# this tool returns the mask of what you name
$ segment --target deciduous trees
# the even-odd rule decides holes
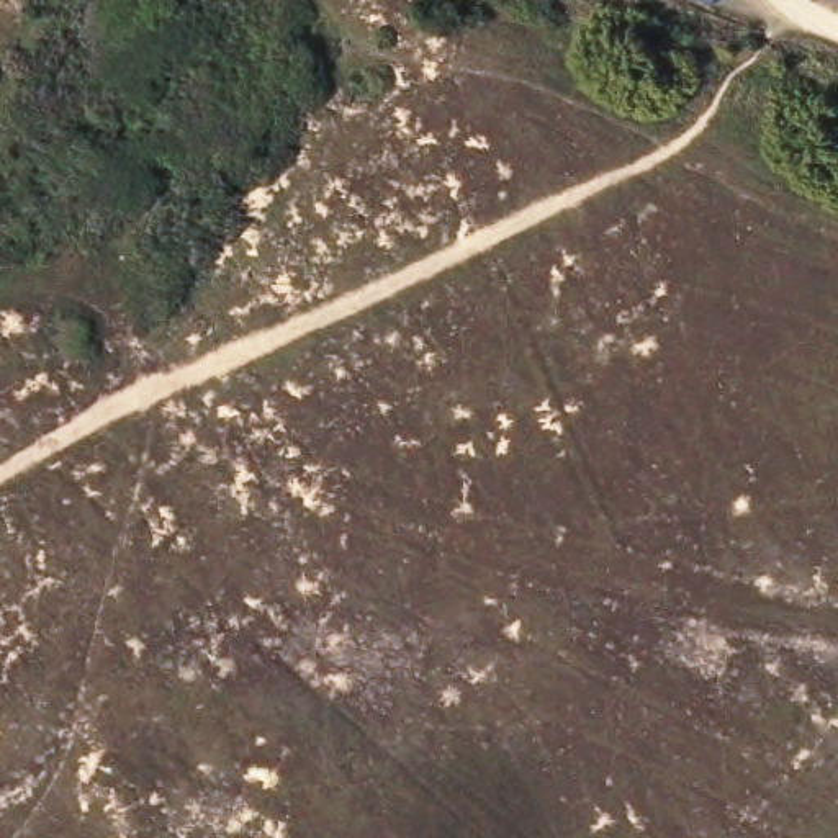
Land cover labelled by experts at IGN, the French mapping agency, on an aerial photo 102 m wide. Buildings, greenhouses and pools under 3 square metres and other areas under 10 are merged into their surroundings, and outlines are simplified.
[[[658,0],[678,13],[710,23],[710,52],[723,49],[737,36],[746,36],[756,16],[730,10],[727,0]]]

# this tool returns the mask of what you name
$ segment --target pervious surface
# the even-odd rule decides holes
[[[151,543],[157,547],[173,527],[173,511],[154,501],[141,484],[131,484],[128,507],[144,514],[151,527]]]
[[[29,599],[39,599],[46,589],[52,589],[56,579],[49,576],[49,566],[36,566],[36,583],[16,596],[16,602],[7,602],[0,609],[0,658],[7,665],[16,665],[20,655],[33,651],[36,635],[26,622],[26,606]]]
[[[98,730],[88,717],[75,717],[69,727],[59,727],[59,740],[69,750],[75,740],[85,740],[92,753],[79,763],[75,799],[88,795],[88,805],[105,802],[105,812],[111,818],[111,838],[128,838],[131,822],[124,802],[115,789],[98,786],[95,779],[95,773],[111,773],[111,766],[101,759],[105,753]]]
[[[318,488],[288,481],[288,491],[318,517],[327,517],[334,511],[331,501],[318,498]]]
[[[291,632],[291,638],[265,638],[262,645],[275,648],[275,655],[285,665],[298,668],[311,687],[347,691],[350,684],[370,674],[422,678],[426,642],[419,642],[419,632],[412,632],[409,625],[396,635],[347,635],[347,629],[331,629],[331,615],[321,615],[318,622],[288,622],[278,612],[278,606],[246,596],[249,609],[268,615],[275,629]]]
[[[809,583],[773,579],[773,589],[766,592],[802,606],[838,609],[838,579],[825,583],[822,573],[815,573]]]
[[[167,373],[141,376],[128,390],[101,396],[95,406],[88,406],[56,432],[46,432],[29,448],[0,462],[0,475],[16,478],[26,468],[39,465],[46,455],[62,452],[65,445],[98,432],[101,426],[121,416],[154,406],[160,396],[196,386],[213,376],[229,376],[229,370],[255,357],[265,357],[340,318],[350,318],[383,298],[393,298],[396,291],[426,282],[570,206],[579,206],[583,200],[615,183],[648,173],[674,154],[681,154],[687,144],[694,144],[710,124],[723,108],[733,82],[740,82],[743,72],[756,65],[753,52],[740,52],[737,65],[723,72],[701,115],[678,137],[661,144],[632,164],[602,170],[570,190],[543,196],[491,226],[481,226],[478,232],[458,229],[458,239],[452,246],[399,272],[390,272],[357,291],[347,291],[344,298],[318,311],[229,340],[203,360],[173,367]]]
[[[730,645],[720,635],[720,629],[707,619],[684,619],[684,629],[678,632],[678,665],[694,668],[704,678],[723,674]]]
[[[779,648],[812,651],[815,661],[838,661],[838,645],[815,635],[750,632],[750,642],[759,645],[763,661],[779,661]]]
[[[730,10],[756,16],[763,20],[766,36],[779,39],[789,29],[805,29],[838,43],[838,0],[727,0]]]
[[[196,828],[242,831],[246,822],[252,822],[255,809],[249,809],[242,799],[232,799],[226,792],[203,792],[196,802],[187,805],[187,818],[173,831],[177,838],[187,838]]]
[[[275,406],[272,406],[272,403],[262,403],[262,412],[265,412],[265,419],[272,419],[272,422],[268,422],[268,429],[252,429],[252,439],[255,439],[255,442],[268,442],[272,435],[285,432],[285,416],[282,416],[282,412],[275,412]]]
[[[249,514],[252,471],[246,468],[246,462],[239,462],[232,468],[232,498],[242,514]]]

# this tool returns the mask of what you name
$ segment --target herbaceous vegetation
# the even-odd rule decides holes
[[[29,448],[46,432],[56,432],[88,406],[95,406],[101,396],[128,390],[141,376],[167,373],[173,367],[203,360],[229,340],[318,311],[344,298],[347,291],[357,291],[390,272],[399,272],[452,246],[458,239],[458,229],[478,232],[481,226],[491,226],[543,196],[570,190],[602,170],[632,164],[661,144],[648,134],[645,124],[606,115],[573,85],[566,72],[570,23],[556,29],[547,23],[547,16],[530,16],[524,3],[514,3],[488,23],[475,23],[442,39],[429,36],[419,26],[419,20],[412,20],[416,0],[318,0],[324,16],[324,36],[337,49],[337,92],[327,105],[318,108],[314,118],[308,118],[295,164],[288,164],[272,183],[255,187],[246,196],[246,232],[219,249],[213,272],[200,275],[193,301],[183,308],[183,314],[167,327],[147,331],[144,337],[105,337],[101,360],[88,360],[82,354],[85,327],[79,321],[62,318],[56,324],[56,347],[33,350],[29,334],[39,331],[39,318],[20,318],[13,311],[0,318],[0,462]]]
[[[285,432],[272,435],[268,442],[255,442],[255,439],[252,439],[252,429],[268,429],[268,422],[272,422],[272,419],[265,419],[265,412],[262,412],[262,403],[272,403],[272,406],[275,406],[275,412],[282,412],[282,416],[285,416]],[[239,462],[246,462],[246,468],[252,471],[249,514],[242,514],[232,498],[232,468]],[[318,498],[331,501],[334,511],[327,517],[318,517],[288,491],[288,481],[318,488]],[[128,507],[131,484],[141,484],[154,501],[173,511],[173,527],[157,547],[151,543],[151,527],[144,514]],[[59,740],[59,727],[69,727],[75,717],[88,717],[98,730],[105,753],[101,759],[111,766],[111,773],[95,773],[95,779],[98,786],[115,789],[124,802],[131,822],[128,838],[177,838],[173,831],[187,818],[187,805],[196,802],[203,792],[226,792],[232,799],[242,799],[249,809],[255,809],[252,822],[246,822],[242,831],[196,828],[187,838],[838,838],[838,661],[815,661],[812,651],[779,648],[779,661],[763,661],[759,645],[750,642],[750,632],[815,635],[838,645],[838,609],[802,606],[766,592],[773,589],[773,579],[809,583],[815,573],[822,573],[825,583],[838,579],[838,219],[825,216],[818,206],[795,196],[773,173],[766,173],[763,160],[750,160],[710,124],[694,144],[687,144],[681,154],[674,154],[648,173],[615,183],[583,200],[579,206],[570,206],[426,282],[396,291],[393,298],[383,298],[350,318],[340,318],[265,357],[255,357],[229,370],[229,376],[213,376],[196,386],[160,396],[154,406],[121,416],[101,426],[98,432],[65,445],[62,452],[46,455],[39,465],[26,468],[16,478],[0,475],[0,609],[7,602],[16,602],[16,596],[36,583],[36,566],[49,566],[49,576],[56,579],[52,589],[46,589],[39,599],[29,599],[26,606],[26,622],[36,635],[33,651],[20,655],[16,665],[7,665],[0,658],[0,838],[111,838],[111,818],[105,812],[105,802],[88,805],[88,795],[75,799],[79,763],[92,753],[85,740],[75,740],[69,750]],[[422,678],[370,674],[350,684],[347,691],[311,687],[298,668],[285,665],[275,655],[275,648],[262,645],[265,638],[291,638],[291,632],[275,629],[268,615],[249,609],[246,596],[278,606],[278,612],[288,622],[318,622],[321,615],[331,615],[331,629],[347,629],[347,635],[396,635],[409,625],[412,632],[419,632],[419,642],[426,642]],[[730,645],[723,674],[704,678],[694,668],[678,665],[678,632],[684,629],[684,619],[707,619],[720,629],[720,635]]]
[[[795,46],[802,52],[805,75],[812,75],[822,85],[838,82],[838,43],[805,29],[789,29],[779,39],[766,36],[763,46],[753,52],[756,65],[779,75],[782,52]]]

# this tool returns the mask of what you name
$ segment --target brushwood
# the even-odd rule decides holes
[[[573,85],[606,115],[645,124],[648,134],[661,144],[678,137],[701,115],[723,72],[737,65],[740,52],[753,52],[763,46],[766,36],[763,20],[756,16],[746,36],[737,36],[723,49],[710,52],[710,23],[678,13],[658,0],[416,0],[412,20],[419,20],[419,26],[429,36],[442,39],[475,23],[488,23],[514,3],[524,3],[530,16],[547,16],[547,23],[556,29],[570,23],[566,72]]]
[[[327,105],[337,92],[337,49],[324,36],[324,16],[318,0],[0,0],[0,318],[13,311],[20,318],[39,318],[39,331],[29,334],[33,350],[56,347],[56,324],[62,318],[79,321],[85,327],[82,354],[88,360],[101,360],[105,337],[144,337],[147,331],[167,327],[183,314],[183,308],[193,301],[200,275],[213,272],[219,249],[246,232],[246,196],[255,187],[272,183],[288,164],[295,164],[308,118],[314,118],[318,108]]]
[[[805,75],[802,52],[795,46],[782,52],[779,75],[756,65],[743,72],[740,82],[733,82],[723,108],[710,124],[750,160],[763,160],[766,173],[773,173],[795,196],[818,206],[825,216],[838,219],[838,82],[822,85],[812,75]]]

